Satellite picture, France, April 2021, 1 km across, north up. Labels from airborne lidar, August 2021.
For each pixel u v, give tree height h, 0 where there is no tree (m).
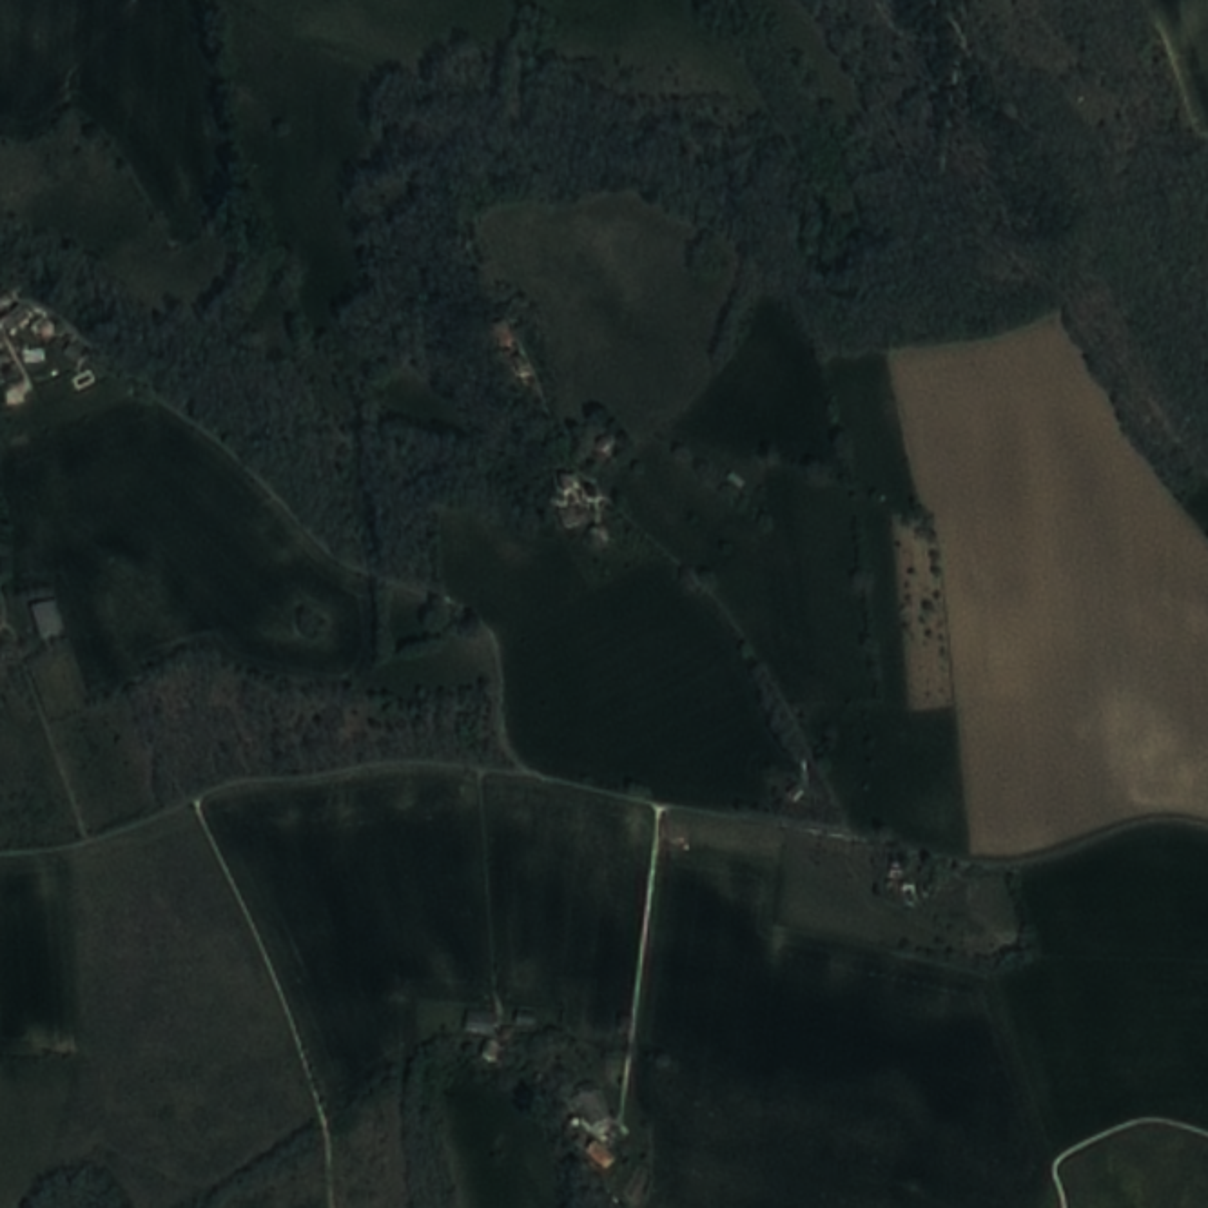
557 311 0
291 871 0
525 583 0
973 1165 0
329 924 0
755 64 16
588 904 0
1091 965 0
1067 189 12
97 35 0
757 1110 0
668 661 0
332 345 9
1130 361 18
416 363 19
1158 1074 0
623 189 9
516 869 0
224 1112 0
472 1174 0
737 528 0
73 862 0
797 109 19
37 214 0
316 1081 8
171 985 0
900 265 25
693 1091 0
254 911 0
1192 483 18
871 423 0
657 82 0
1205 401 19
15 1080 0
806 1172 0
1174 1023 0
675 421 0
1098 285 14
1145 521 0
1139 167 13
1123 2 18
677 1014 0
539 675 0
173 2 0
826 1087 0
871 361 0
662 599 0
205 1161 0
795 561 0
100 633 0
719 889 0
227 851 0
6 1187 0
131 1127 0
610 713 0
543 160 23
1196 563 0
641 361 0
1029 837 0
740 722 0
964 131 8
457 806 0
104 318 11
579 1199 23
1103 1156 0
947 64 9
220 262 0
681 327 0
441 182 13
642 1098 0
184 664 11
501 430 24
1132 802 0
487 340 15
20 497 0
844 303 23
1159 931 0
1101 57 16
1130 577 0
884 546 0
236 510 0
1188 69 0
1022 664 0
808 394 0
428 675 0
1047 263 16
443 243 16
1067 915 0
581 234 0
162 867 0
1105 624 0
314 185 0
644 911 0
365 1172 0
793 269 20
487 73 8
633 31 0
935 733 0
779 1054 0
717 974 0
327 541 15
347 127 0
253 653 0
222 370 18
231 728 10
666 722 0
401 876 0
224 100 16
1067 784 0
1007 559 0
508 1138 0
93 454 0
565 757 0
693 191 17
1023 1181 0
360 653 0
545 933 0
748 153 13
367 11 0
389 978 0
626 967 0
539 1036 7
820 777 15
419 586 10
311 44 0
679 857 0
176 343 21
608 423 12
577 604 0
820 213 14
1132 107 9
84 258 20
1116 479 0
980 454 0
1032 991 0
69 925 0
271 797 0
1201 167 23
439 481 13
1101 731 0
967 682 0
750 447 0
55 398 0
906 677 0
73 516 0
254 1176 12
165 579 0
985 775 0
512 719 0
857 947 0
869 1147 0
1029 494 0
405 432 21
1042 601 0
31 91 0
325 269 0
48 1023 0
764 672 16
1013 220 12
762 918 0
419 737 14
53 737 0
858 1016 0
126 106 0
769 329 0
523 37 13
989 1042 0
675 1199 0
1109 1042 0
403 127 17
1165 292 14
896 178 15
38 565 0
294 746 7
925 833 0
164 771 15
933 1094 0
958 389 0
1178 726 0
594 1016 0
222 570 0
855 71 13
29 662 8
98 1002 0
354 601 0
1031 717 0
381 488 20
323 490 15
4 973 0
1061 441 0
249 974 0
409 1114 15
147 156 0
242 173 30
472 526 0
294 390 22
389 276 18
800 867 0
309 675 0
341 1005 0
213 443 0
